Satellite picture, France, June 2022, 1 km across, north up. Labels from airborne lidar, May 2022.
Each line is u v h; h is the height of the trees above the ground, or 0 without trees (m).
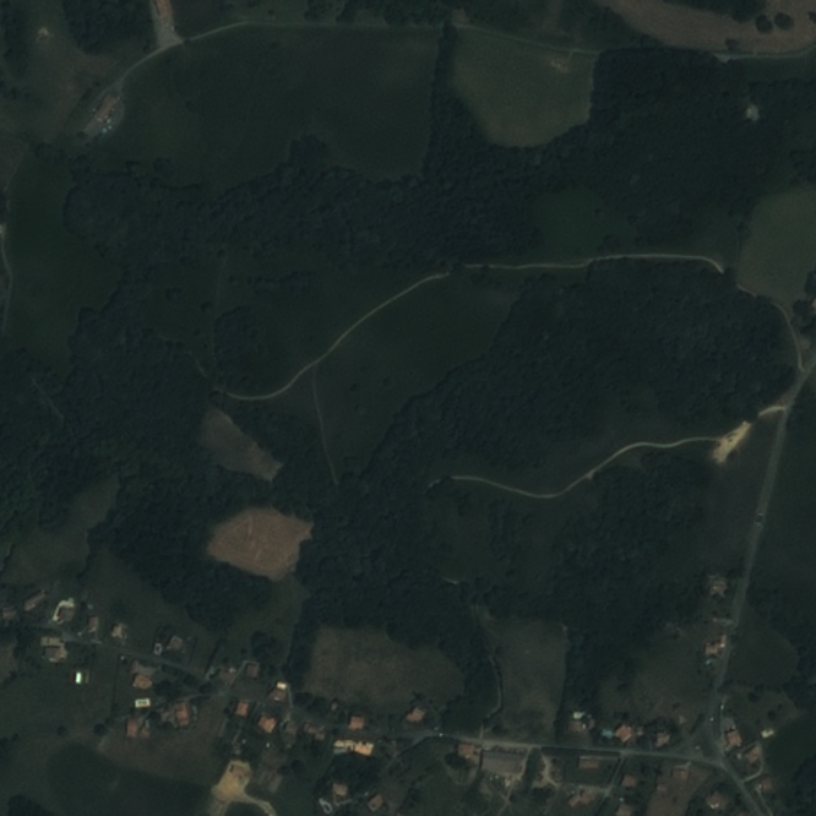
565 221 0
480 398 14
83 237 13
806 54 0
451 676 0
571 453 0
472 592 17
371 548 30
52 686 0
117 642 0
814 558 0
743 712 0
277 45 7
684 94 26
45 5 0
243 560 0
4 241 0
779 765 0
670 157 22
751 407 16
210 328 0
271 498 22
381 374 0
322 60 0
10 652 0
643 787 9
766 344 20
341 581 24
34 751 0
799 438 0
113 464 16
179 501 21
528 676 0
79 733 0
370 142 0
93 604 0
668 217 13
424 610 29
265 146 0
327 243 20
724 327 16
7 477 15
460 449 13
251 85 0
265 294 17
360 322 0
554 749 7
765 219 0
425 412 20
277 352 0
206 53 0
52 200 0
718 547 0
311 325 0
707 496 0
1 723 0
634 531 14
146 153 0
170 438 22
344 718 8
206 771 0
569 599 19
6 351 23
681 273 15
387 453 19
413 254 19
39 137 0
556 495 0
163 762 0
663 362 19
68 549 0
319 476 16
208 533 22
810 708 19
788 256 0
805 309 15
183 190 13
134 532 24
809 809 19
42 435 30
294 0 0
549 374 13
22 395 16
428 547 15
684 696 0
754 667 0
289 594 0
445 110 19
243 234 18
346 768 16
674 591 9
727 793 10
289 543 0
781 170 0
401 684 0
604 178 21
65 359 0
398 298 0
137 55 0
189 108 11
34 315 0
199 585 24
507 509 9
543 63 0
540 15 0
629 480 16
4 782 0
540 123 0
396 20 21
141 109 0
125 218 27
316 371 0
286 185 18
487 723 14
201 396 18
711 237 0
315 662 0
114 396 23
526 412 18
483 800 0
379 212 22
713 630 0
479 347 0
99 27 19
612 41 0
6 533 25
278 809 0
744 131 18
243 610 22
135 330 19
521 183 17
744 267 0
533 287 18
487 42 0
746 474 0
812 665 19
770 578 0
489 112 0
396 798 0
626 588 14
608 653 25
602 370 6
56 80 0
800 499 0
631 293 23
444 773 0
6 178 0
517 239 21
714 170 17
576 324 22
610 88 30
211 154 0
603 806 7
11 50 10
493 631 0
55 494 9
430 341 0
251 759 6
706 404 14
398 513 13
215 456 12
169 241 24
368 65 0
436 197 24
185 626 0
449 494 14
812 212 0
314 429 8
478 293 0
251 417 14
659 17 0
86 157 9
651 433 0
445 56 14
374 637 0
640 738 11
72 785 0
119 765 0
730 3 23
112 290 0
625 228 0
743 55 0
